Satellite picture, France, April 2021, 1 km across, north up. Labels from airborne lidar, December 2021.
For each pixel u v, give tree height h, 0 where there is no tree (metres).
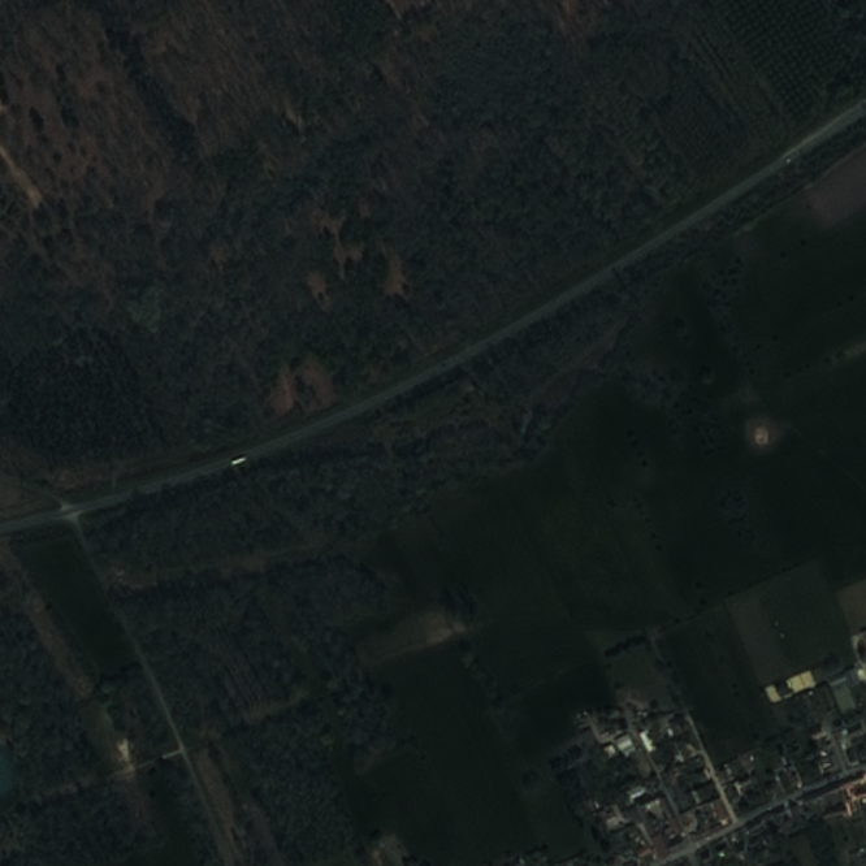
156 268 23
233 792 7
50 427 22
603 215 8
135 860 0
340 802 23
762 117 25
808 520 0
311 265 15
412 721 0
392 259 7
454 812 0
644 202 24
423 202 23
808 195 0
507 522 0
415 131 19
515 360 25
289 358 17
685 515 0
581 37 26
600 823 9
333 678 18
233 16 18
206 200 19
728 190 0
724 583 0
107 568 20
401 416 16
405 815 0
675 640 0
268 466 17
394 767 0
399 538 0
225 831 0
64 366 22
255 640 23
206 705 17
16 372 22
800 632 0
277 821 9
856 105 0
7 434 18
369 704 21
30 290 22
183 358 7
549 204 25
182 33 15
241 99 25
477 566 0
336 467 24
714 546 0
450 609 20
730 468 0
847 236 0
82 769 19
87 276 20
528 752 0
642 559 0
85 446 20
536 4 25
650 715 8
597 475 0
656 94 17
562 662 0
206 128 26
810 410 0
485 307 26
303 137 14
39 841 7
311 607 22
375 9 18
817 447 0
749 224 12
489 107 13
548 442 11
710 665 0
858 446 0
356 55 24
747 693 0
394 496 23
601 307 26
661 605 0
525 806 0
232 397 22
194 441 14
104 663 0
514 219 11
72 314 23
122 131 17
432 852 0
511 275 16
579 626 0
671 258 8
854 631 0
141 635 22
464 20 21
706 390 0
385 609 24
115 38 22
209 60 21
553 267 17
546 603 0
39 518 0
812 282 0
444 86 13
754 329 0
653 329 0
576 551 0
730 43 22
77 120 18
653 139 29
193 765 0
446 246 21
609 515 0
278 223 17
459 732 0
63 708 12
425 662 0
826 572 0
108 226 22
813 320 0
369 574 20
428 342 23
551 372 8
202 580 0
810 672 0
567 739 0
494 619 0
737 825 0
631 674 0
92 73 8
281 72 23
